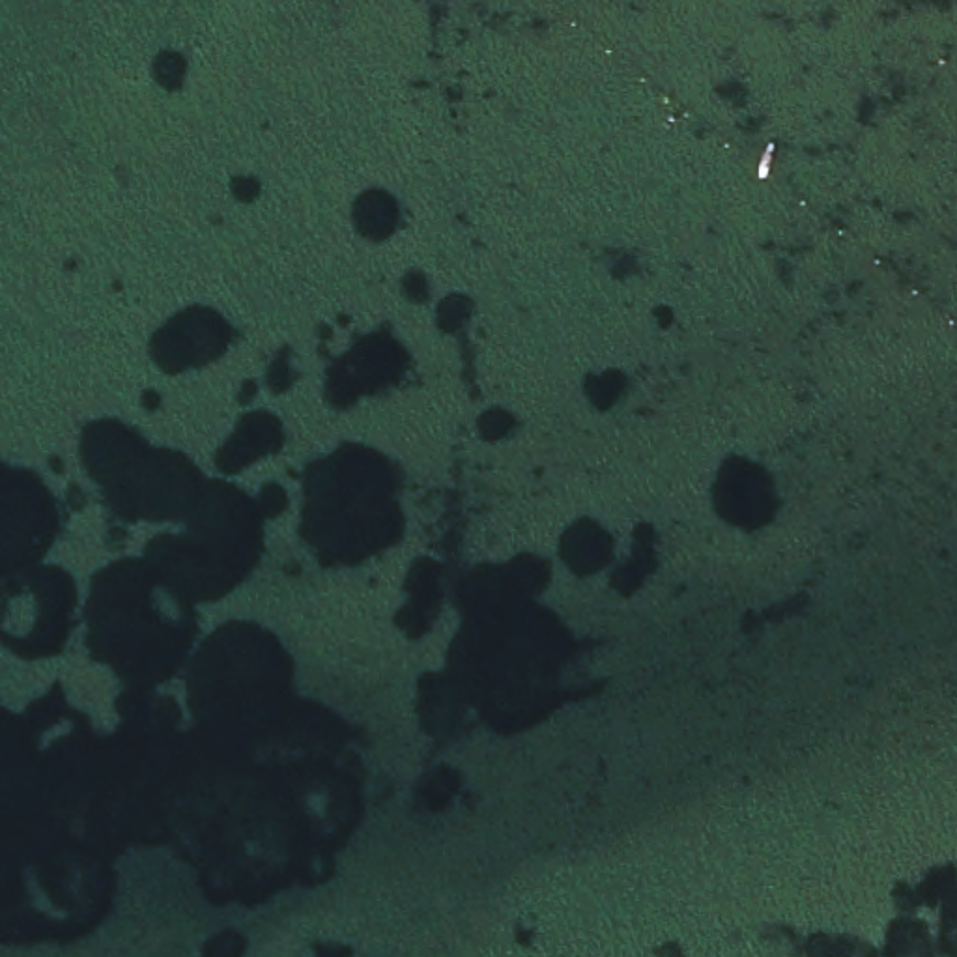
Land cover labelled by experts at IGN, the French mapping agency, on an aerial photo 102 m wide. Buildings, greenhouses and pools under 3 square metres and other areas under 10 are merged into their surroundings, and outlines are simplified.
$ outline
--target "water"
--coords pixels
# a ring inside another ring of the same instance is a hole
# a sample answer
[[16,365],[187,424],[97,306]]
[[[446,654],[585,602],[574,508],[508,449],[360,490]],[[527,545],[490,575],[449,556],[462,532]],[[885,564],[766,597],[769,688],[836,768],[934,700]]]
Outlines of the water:
[[0,0],[0,957],[957,957],[957,0]]

